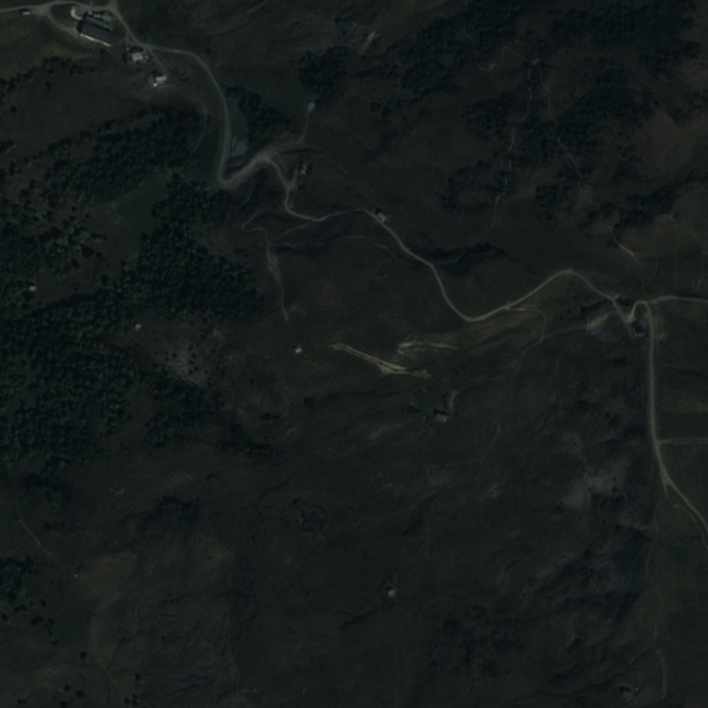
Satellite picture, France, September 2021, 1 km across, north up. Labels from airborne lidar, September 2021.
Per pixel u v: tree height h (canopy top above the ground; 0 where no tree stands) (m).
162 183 0
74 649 0
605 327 0
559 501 0
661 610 0
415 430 0
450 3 0
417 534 0
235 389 0
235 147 0
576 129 7
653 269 0
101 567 0
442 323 0
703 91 0
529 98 0
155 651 0
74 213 10
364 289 0
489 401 0
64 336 11
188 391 9
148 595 0
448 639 0
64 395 11
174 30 0
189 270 11
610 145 0
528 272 0
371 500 0
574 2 0
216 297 9
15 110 7
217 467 0
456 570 0
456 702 0
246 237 0
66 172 11
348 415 0
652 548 0
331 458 0
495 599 0
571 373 0
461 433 0
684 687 0
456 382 0
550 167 0
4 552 0
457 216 0
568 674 0
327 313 0
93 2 0
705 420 0
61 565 0
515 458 0
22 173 8
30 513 0
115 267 0
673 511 0
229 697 0
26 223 16
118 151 13
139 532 0
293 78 0
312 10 0
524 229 0
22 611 11
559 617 0
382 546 0
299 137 0
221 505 0
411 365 0
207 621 0
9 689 0
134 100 0
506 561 0
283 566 0
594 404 0
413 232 0
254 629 0
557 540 0
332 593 0
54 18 0
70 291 0
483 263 0
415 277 0
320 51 0
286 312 0
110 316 17
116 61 0
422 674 0
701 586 0
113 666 0
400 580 0
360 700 0
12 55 0
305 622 0
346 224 0
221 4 0
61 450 8
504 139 7
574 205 0
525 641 0
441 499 0
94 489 0
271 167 0
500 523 0
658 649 0
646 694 0
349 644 0
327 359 0
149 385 8
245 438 11
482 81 0
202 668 0
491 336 0
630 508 0
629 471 0
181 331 0
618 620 0
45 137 0
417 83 9
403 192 0
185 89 0
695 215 0
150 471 0
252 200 0
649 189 0
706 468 0
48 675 0
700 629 0
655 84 0
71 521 0
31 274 10
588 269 0
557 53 0
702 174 0
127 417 7
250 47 0
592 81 0
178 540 0
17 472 0
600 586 0
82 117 0
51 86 7
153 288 9
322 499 0
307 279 0
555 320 0
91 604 0
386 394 0
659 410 0
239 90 9
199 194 10
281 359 0
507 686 0
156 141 7
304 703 0
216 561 0
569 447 0
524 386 0
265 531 0
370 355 0
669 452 0
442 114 0
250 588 0
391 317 0
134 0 0
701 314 0
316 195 0
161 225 0
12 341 11
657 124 0
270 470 0
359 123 0
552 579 0
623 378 0
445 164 0
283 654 0
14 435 15
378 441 0
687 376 0
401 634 0
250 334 0
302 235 0
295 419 0
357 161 0
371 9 0
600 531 0
